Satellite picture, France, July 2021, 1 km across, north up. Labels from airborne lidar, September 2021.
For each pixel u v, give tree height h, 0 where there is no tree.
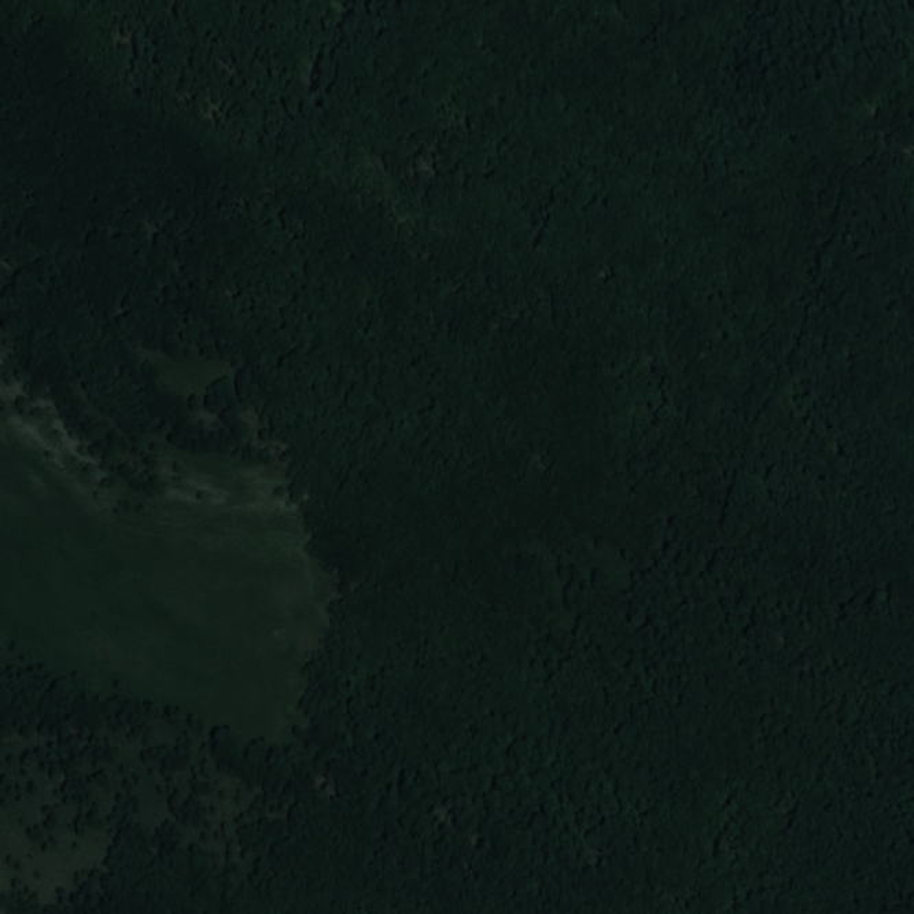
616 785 13
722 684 14
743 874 16
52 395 8
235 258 24
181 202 21
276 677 0
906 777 22
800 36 21
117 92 21
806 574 21
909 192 27
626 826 25
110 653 0
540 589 16
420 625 15
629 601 11
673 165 27
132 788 11
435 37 26
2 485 0
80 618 0
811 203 23
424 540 18
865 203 28
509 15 29
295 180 16
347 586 13
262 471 0
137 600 0
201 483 0
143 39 17
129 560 0
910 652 18
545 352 18
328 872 18
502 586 17
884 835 21
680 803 17
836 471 30
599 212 25
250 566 0
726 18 23
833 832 19
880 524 24
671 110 29
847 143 26
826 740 14
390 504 20
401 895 18
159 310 18
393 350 17
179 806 10
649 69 27
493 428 20
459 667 13
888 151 25
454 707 14
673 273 21
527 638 14
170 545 0
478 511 19
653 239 24
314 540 8
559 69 29
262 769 13
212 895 18
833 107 16
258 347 27
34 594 0
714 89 26
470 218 20
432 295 23
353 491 27
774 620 15
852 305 25
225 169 21
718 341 24
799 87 23
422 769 28
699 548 13
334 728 26
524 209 23
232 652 0
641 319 21
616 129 29
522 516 16
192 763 10
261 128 23
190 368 0
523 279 15
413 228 13
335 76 21
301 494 15
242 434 17
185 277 14
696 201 25
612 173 28
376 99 29
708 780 19
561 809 21
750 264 27
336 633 10
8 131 18
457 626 14
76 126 20
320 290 15
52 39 18
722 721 16
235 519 0
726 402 17
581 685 16
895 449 20
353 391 21
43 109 17
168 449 0
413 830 18
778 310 20
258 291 25
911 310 27
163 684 0
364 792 13
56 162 20
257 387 21
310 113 26
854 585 26
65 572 0
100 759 14
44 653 0
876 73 15
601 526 15
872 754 17
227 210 23
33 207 18
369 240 21
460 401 22
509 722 22
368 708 20
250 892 14
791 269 23
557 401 18
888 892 19
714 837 18
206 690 0
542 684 13
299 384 29
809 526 22
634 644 15
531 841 23
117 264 21
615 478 11
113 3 23
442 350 14
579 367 21
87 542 0
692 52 25
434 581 15
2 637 0
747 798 21
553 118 28
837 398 20
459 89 26
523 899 19
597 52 28
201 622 0
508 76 26
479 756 23
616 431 22
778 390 20
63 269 21
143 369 18
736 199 25
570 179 24
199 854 13
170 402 17
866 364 26
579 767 24
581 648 16
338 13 26
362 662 25
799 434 25
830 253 25
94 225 18
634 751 20
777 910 17
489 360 16
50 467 0
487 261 19
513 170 21
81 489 0
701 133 29
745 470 24
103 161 20
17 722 14
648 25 21
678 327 19
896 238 27
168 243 20
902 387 24
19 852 0
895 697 17
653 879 21
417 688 18
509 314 18
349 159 12
